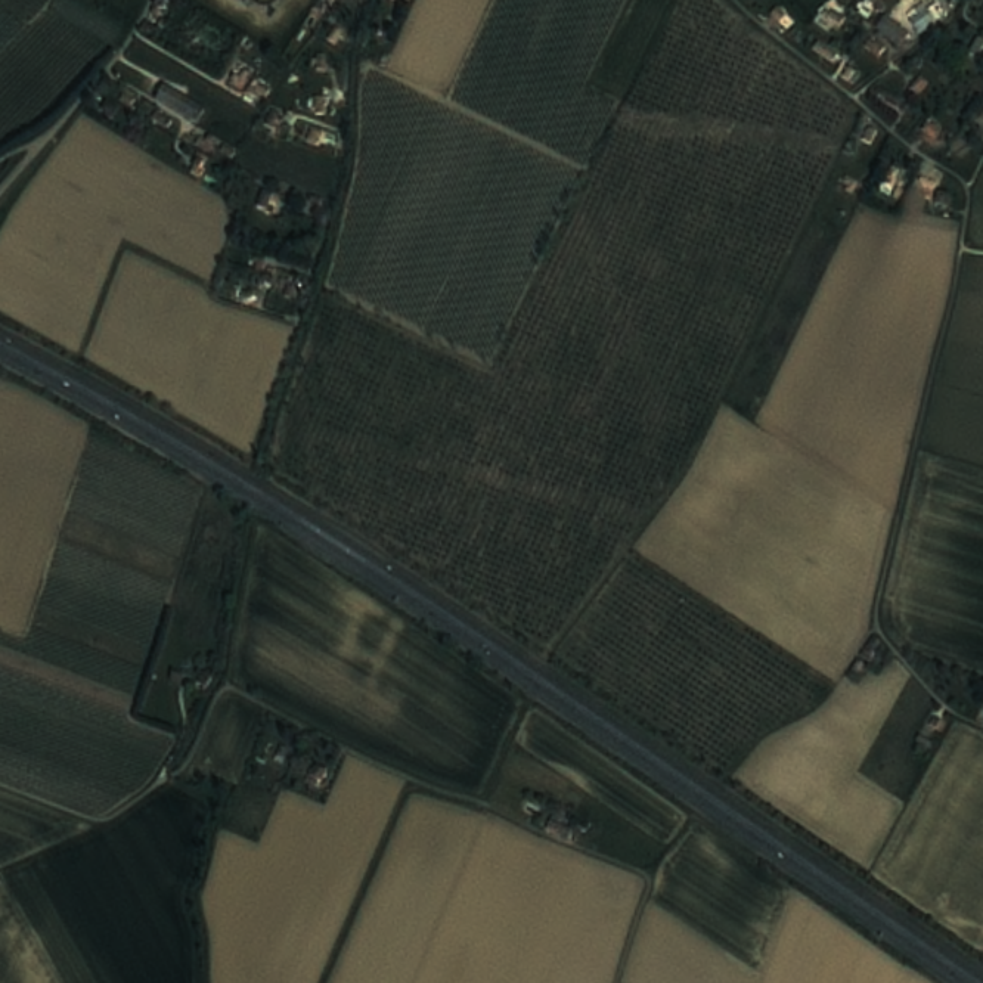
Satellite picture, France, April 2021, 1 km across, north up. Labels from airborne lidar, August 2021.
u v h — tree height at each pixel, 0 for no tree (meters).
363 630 0
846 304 0
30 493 0
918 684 0
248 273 7
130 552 0
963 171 0
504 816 0
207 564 0
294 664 0
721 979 0
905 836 0
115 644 0
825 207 0
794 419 0
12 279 0
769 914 0
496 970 0
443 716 0
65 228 0
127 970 0
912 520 0
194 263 0
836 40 8
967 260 0
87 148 0
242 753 0
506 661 0
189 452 0
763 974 0
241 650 0
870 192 13
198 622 0
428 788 0
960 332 0
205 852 20
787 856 0
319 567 0
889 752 0
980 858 0
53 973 0
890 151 7
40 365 0
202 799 0
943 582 0
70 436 0
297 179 0
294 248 17
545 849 0
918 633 0
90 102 15
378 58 9
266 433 10
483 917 0
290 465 8
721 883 0
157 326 0
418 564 14
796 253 0
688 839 0
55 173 0
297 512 0
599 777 0
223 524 0
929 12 0
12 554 0
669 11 0
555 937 0
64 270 0
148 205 0
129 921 0
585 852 0
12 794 0
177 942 0
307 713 0
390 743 0
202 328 0
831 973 0
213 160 9
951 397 0
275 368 0
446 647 16
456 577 6
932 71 0
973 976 0
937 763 0
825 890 0
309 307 11
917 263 0
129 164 0
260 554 0
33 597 0
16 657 0
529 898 0
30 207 0
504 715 0
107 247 0
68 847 0
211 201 0
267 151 0
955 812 0
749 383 0
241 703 0
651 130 0
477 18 0
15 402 0
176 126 0
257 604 0
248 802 0
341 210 8
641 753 0
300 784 10
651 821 0
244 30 6
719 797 0
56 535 0
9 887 0
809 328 0
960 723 0
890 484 0
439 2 0
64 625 0
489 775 0
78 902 0
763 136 0
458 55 0
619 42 0
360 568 0
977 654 0
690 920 0
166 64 0
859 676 8
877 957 0
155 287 0
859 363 0
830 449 0
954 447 0
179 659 0
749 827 0
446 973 0
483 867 0
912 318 0
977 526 0
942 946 0
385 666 0
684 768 0
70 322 0
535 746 0
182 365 0
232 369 0
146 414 0
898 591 0
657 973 0
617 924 0
